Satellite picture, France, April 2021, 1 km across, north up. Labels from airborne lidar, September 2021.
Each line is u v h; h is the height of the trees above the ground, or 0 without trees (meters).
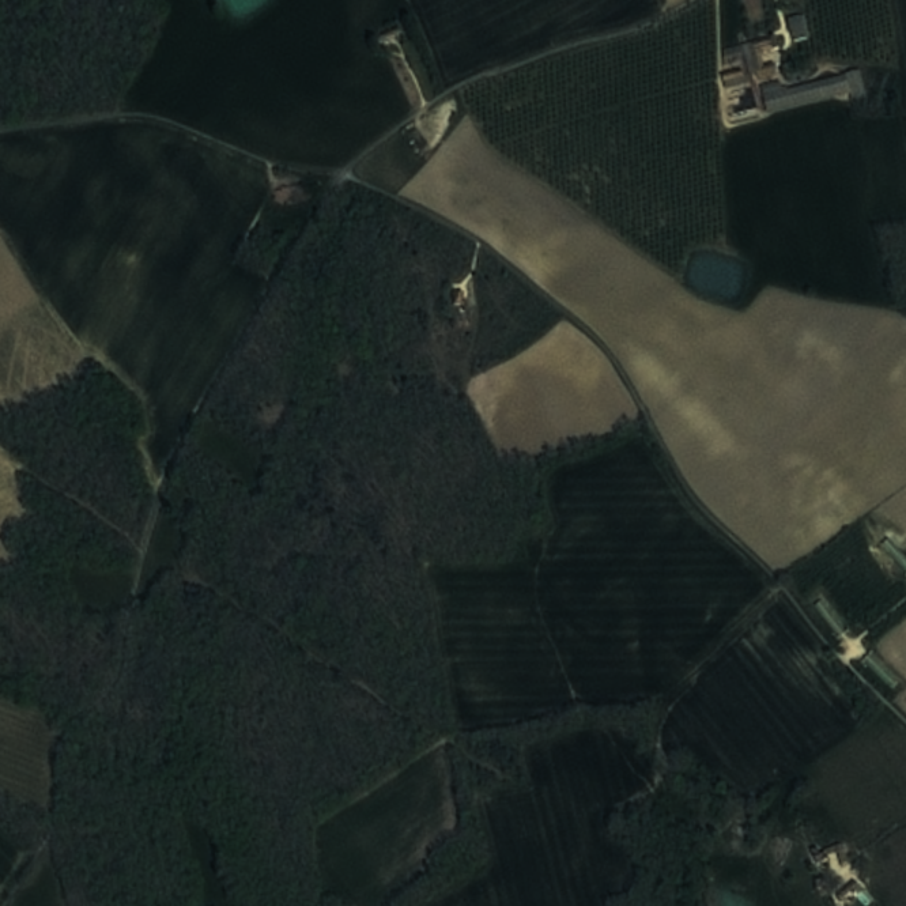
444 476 15
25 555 22
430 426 21
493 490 21
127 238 0
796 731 0
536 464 13
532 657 0
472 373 8
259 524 22
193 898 21
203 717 22
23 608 22
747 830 13
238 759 18
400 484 17
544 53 0
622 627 0
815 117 0
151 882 22
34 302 0
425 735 17
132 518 15
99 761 23
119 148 0
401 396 10
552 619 0
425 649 13
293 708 18
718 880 0
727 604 0
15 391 0
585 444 13
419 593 14
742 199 0
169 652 24
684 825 12
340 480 14
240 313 0
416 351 7
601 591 0
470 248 9
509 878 0
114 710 16
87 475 14
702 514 0
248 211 0
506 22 0
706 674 0
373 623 19
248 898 25
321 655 20
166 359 0
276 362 18
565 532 0
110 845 22
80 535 21
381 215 6
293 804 19
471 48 0
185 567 17
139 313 0
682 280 0
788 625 0
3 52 28
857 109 17
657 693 0
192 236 0
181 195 0
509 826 0
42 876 0
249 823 23
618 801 0
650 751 20
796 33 0
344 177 0
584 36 0
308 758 18
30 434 21
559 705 0
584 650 0
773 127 0
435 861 16
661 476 0
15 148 0
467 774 16
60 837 22
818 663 0
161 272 0
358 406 19
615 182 6
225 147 0
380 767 18
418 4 0
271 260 17
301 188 0
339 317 22
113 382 18
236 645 22
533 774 0
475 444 20
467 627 0
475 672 0
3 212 0
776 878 0
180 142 0
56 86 22
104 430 19
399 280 13
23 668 19
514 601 0
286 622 21
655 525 0
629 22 0
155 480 0
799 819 8
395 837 0
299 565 19
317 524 20
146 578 0
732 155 0
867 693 13
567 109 6
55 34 19
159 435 0
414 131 0
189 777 25
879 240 15
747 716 0
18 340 0
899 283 20
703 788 17
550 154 6
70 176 0
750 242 0
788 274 0
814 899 0
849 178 0
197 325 0
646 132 6
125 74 21
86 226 0
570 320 0
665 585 0
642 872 15
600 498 0
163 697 24
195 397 0
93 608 0
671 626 0
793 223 0
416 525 13
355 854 0
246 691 18
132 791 24
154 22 23
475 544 15
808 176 0
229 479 14
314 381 20
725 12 0
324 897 11
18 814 16
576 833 0
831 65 0
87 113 20
